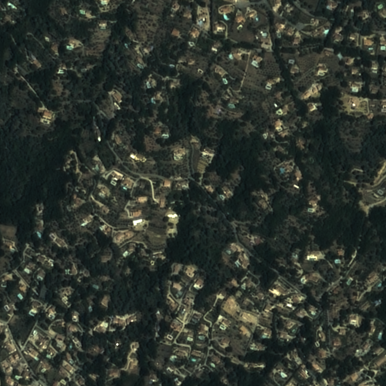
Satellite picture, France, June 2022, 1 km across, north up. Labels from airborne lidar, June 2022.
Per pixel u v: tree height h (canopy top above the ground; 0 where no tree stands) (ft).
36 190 61
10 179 49
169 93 25
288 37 37
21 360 0
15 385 0
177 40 17
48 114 0
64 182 62
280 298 19
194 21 31
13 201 32
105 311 32
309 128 20
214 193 21
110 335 66
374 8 56
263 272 59
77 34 18
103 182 21
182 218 72
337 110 31
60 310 42
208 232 78
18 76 42
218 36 33
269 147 51
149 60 29
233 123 41
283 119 46
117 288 64
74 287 48
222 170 49
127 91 32
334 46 39
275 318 25
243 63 0
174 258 53
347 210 47
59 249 42
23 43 40
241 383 55
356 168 0
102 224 52
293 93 52
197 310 53
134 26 55
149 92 46
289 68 33
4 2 60
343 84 51
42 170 52
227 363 43
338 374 37
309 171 42
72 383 31
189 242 51
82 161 54
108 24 31
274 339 40
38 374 23
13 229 0
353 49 44
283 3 20
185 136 74
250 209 25
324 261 50
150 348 47
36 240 41
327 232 41
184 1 42
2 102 75
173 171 19
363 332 33
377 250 29
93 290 52
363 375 43
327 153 52
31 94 42
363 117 56
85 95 24
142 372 59
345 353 17
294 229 36
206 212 48
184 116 59
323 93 33
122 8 34
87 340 68
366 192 0
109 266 79
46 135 38
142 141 41
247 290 19
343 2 34
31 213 43
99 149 27
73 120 32
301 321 38
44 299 55
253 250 27
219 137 29
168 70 37
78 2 42
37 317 58
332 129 23
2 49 61
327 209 27
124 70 22
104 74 48
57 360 31
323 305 42
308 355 26
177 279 56
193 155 0
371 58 47
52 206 50
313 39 21
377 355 35
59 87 0
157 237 0
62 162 63
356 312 54
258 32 32
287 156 39
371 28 38
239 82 31
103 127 33
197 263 50
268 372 53
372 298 30
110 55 69
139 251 65
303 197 23
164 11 22
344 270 29
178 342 39
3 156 52
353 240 46
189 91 44
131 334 77
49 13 35
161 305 55
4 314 0
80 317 34
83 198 32
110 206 20
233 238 33
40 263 32
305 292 43
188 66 37
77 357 33
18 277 32
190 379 46
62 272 45
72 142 53
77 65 65
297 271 23
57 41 19
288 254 25
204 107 40
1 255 58
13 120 83
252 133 32
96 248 60
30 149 36
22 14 51
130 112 33
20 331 25
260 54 37
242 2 0
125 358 52
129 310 52
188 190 34
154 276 55
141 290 84
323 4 27
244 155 58
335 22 27
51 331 0
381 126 33
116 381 46
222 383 40
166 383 50
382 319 33
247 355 41
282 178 18
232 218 32
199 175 45
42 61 20
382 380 21
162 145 42
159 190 19
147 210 0
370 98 38
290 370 31
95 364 48
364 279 22
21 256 35
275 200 50
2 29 37
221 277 29
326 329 28
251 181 51
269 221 50
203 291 57
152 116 37
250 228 32
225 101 34
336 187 47
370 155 61
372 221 47
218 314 22
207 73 22
